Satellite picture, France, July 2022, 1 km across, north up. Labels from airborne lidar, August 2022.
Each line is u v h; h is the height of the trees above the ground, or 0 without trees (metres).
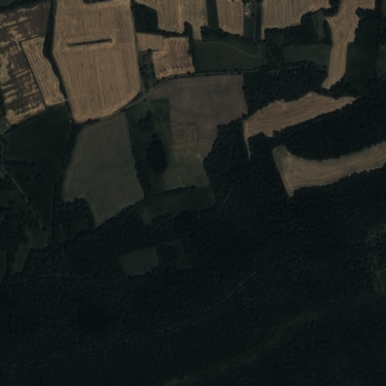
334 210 14
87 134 0
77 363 13
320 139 12
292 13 0
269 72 7
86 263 13
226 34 10
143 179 10
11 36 0
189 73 10
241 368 8
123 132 0
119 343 11
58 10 0
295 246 15
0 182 16
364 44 0
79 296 13
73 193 0
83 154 0
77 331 20
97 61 0
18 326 18
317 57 0
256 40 6
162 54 0
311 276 12
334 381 10
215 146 10
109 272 11
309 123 16
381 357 8
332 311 9
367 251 11
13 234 18
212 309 9
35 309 19
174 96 0
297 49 0
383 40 18
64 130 0
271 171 11
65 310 9
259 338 10
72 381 15
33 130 0
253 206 19
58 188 9
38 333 15
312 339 19
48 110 0
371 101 21
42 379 10
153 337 9
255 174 18
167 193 10
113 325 14
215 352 11
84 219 14
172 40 0
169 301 17
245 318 10
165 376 11
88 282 18
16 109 0
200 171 0
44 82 0
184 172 0
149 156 14
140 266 0
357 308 12
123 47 0
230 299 8
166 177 0
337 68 0
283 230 21
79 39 0
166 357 14
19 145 0
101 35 0
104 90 0
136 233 16
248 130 0
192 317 11
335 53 0
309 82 14
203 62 0
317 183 0
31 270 11
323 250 13
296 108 0
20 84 0
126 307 15
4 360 15
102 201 0
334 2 15
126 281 14
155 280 16
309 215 14
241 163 19
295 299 13
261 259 16
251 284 8
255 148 10
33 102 0
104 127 0
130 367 13
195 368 10
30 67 0
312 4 0
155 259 0
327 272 14
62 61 0
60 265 14
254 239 16
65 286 21
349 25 0
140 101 0
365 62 0
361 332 18
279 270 12
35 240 0
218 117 0
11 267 15
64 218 11
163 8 0
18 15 0
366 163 0
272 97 10
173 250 17
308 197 17
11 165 16
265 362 16
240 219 16
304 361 19
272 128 0
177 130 0
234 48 0
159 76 0
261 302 8
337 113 16
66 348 9
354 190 12
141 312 7
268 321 9
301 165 0
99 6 0
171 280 11
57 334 12
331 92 13
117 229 15
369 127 14
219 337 11
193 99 0
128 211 17
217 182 9
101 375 12
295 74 11
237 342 10
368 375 16
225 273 16
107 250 16
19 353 15
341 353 18
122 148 0
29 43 0
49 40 10
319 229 21
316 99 0
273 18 0
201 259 21
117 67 0
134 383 12
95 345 14
